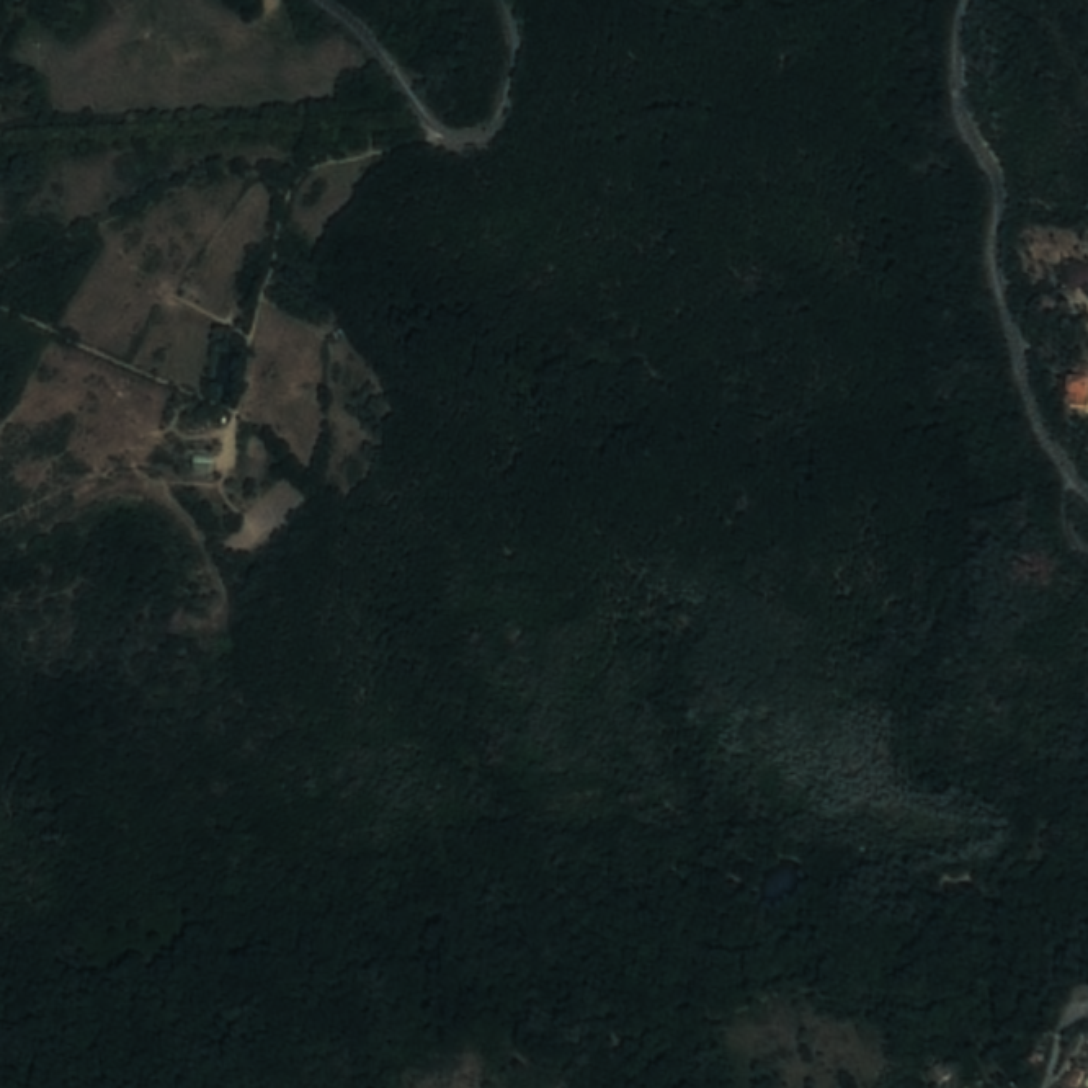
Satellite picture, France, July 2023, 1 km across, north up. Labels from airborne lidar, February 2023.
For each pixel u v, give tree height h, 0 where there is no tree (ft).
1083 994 0
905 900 53
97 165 0
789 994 47
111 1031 74
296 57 0
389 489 54
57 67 0
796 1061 0
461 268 53
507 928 90
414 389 59
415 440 70
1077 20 37
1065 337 54
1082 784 73
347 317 45
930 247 71
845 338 77
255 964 85
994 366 48
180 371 0
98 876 51
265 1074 63
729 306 73
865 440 88
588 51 54
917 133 33
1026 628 61
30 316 26
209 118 44
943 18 58
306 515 44
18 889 71
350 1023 51
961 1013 38
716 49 67
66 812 64
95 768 56
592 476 88
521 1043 47
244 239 0
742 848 82
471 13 41
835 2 93
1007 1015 47
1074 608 38
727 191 63
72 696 52
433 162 58
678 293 66
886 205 82
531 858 72
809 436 68
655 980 68
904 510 73
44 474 0
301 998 68
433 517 62
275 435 43
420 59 42
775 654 64
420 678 71
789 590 63
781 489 82
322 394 31
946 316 53
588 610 53
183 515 0
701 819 59
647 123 94
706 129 91
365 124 52
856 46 73
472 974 86
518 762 37
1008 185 24
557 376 89
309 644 59
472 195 52
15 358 42
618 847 73
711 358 64
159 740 49
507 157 57
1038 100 29
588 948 76
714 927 61
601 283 57
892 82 53
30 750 32
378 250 70
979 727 21
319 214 0
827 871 69
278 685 58
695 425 88
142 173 0
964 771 56
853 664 63
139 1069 69
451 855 25
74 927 64
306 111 50
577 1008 63
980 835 48
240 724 39
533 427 54
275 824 46
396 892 58
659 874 65
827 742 31
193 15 0
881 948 73
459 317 79
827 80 71
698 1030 50
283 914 86
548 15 64
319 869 58
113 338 0
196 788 25
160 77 0
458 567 62
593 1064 41
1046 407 37
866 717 56
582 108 70
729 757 61
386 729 50
